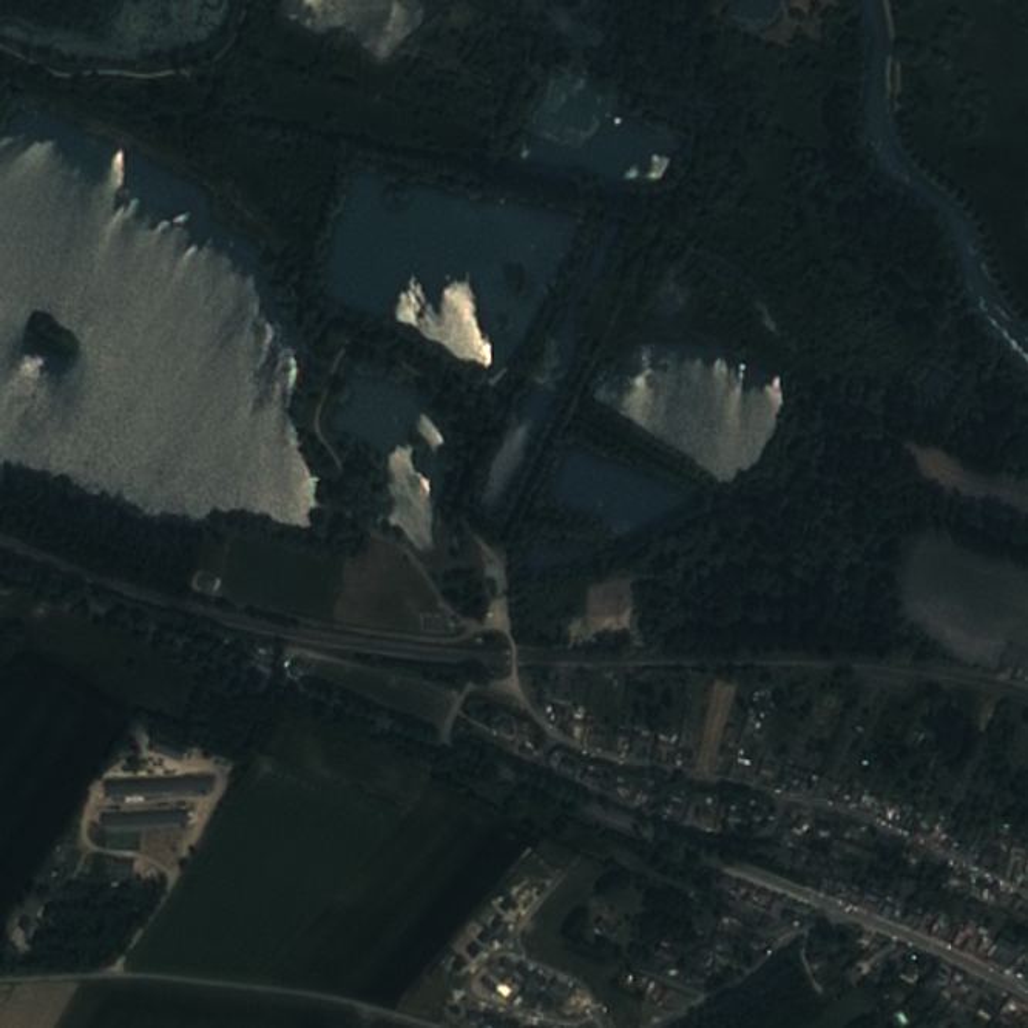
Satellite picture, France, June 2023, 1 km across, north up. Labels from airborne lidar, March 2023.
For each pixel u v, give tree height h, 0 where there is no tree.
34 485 26
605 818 0
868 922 0
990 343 19
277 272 13
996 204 0
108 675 0
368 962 0
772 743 0
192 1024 0
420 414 0
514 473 0
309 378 18
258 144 7
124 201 0
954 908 0
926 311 7
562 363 0
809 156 8
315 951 0
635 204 29
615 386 0
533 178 30
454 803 0
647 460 8
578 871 0
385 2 0
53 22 9
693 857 18
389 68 0
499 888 0
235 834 0
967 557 0
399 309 0
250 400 0
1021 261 0
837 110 24
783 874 7
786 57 6
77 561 9
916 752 6
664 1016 0
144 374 0
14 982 0
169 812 0
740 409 0
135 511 7
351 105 0
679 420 0
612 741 0
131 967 0
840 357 6
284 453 0
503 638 0
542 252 0
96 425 0
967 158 0
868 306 8
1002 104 0
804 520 18
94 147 0
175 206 0
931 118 0
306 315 17
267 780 0
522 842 0
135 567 26
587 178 18
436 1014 0
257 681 23
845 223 30
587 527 7
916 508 13
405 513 0
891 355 5
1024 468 14
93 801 0
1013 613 0
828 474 20
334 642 0
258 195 0
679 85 15
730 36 6
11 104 14
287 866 0
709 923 0
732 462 0
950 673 0
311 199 7
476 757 14
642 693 13
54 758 0
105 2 8
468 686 0
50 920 10
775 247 8
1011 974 0
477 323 0
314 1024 0
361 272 0
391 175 11
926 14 0
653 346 0
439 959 0
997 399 27
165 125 14
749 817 7
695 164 8
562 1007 0
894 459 32
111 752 7
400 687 0
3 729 0
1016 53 0
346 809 0
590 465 0
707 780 0
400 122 0
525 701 0
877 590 30
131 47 0
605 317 0
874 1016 6
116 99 6
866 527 18
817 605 24
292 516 0
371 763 0
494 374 0
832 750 0
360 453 18
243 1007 0
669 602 22
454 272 0
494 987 7
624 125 0
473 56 7
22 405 0
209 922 0
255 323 0
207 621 11
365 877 0
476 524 23
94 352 0
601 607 0
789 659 0
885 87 0
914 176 0
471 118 6
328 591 0
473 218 0
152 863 0
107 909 10
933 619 0
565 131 0
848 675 15
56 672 0
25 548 0
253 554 0
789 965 16
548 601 0
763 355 0
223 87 14
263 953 0
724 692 0
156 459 0
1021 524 27
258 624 0
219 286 0
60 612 0
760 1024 16
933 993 0
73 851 0
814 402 7
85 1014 0
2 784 0
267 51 7
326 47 6
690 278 7
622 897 0
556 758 0
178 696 0
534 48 7
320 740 0
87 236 0
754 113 7
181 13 0
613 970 0
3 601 0
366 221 0
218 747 11
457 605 14
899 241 21
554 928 0
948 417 23
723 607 26
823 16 6
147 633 16
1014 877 0
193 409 0
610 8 12
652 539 17
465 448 12
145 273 0
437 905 0
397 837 0
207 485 0
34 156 0
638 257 13
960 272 7
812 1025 0
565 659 0
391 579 0
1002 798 9
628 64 16
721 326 0
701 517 8
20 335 0
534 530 6
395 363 15
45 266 0
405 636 0
